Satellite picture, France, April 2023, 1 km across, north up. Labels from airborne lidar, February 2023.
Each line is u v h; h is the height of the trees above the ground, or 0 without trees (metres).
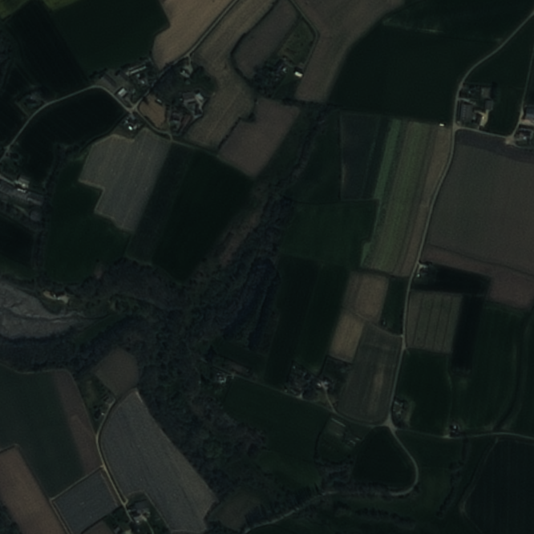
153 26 0
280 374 0
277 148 0
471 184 0
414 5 0
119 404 0
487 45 0
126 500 0
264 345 11
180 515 0
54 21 0
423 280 0
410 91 0
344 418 0
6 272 0
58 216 0
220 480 20
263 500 0
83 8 0
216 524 6
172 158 0
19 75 0
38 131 0
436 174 0
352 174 0
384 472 0
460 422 0
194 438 34
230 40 0
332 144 0
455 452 0
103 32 0
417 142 0
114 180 0
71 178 0
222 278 7
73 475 0
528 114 0
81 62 0
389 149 0
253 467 0
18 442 0
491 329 0
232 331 21
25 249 0
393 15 0
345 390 0
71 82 0
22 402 0
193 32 0
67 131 0
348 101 0
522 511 0
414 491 16
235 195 0
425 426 0
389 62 0
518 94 0
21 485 0
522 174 0
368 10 0
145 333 21
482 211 0
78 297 10
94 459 0
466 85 0
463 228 0
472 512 0
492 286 0
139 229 0
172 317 33
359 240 0
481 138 0
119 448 0
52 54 0
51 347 12
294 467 0
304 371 10
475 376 0
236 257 6
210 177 0
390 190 0
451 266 0
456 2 0
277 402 0
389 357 0
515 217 0
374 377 0
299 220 0
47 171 0
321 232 0
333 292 0
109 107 0
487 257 0
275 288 18
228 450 11
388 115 0
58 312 0
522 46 0
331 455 0
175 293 13
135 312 14
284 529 0
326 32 0
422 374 0
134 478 0
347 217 0
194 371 8
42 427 0
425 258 0
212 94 0
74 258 0
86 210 0
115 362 0
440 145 0
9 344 13
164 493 0
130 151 0
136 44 0
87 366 13
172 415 17
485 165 0
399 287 0
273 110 0
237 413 0
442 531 0
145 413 0
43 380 0
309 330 0
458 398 0
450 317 0
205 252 0
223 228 0
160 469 0
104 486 0
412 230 0
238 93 0
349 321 0
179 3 0
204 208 0
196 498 0
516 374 0
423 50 0
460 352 0
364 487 14
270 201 12
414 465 0
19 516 0
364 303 0
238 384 0
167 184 0
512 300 0
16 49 0
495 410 0
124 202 0
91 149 0
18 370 9
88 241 0
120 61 0
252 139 0
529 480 0
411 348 0
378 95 0
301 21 0
